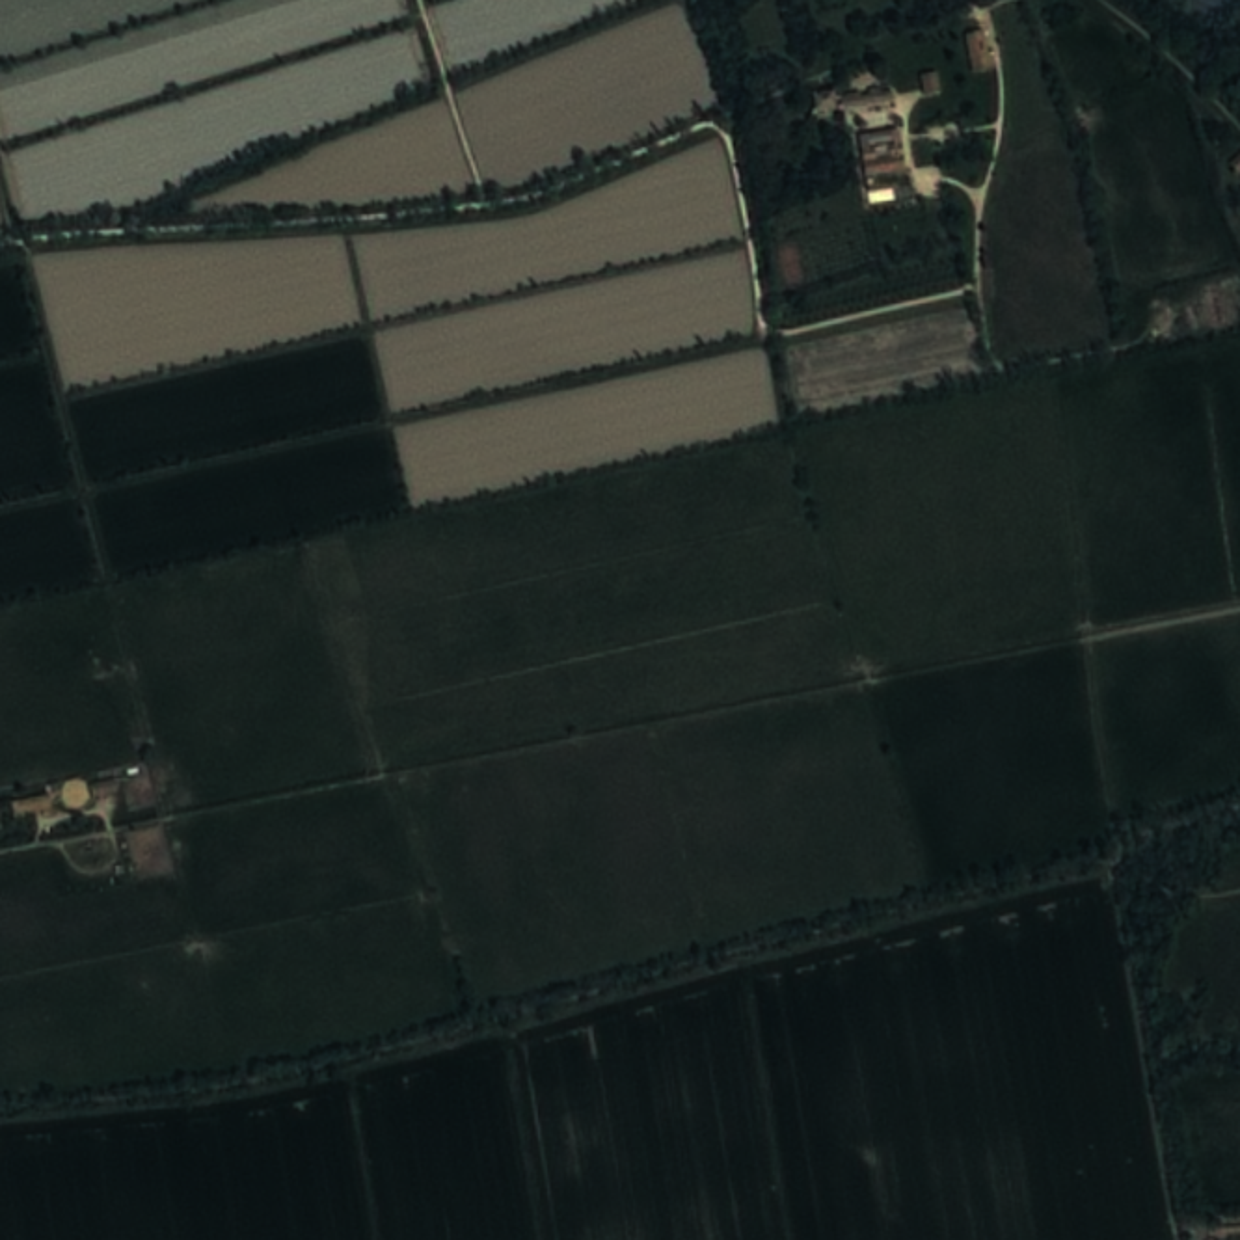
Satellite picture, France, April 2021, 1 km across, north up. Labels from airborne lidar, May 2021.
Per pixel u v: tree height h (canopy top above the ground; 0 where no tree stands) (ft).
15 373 0
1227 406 0
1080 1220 0
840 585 0
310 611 0
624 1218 0
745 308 0
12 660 0
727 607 0
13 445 0
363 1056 24
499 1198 0
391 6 0
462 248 0
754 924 0
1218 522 0
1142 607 0
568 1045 0
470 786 0
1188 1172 37
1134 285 0
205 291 0
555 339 0
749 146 35
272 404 0
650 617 0
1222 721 0
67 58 0
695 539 0
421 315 29
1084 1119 0
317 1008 0
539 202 30
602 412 0
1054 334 0
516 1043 0
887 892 0
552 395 0
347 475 0
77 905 0
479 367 0
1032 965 0
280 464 0
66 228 30
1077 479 0
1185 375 0
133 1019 0
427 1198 0
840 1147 0
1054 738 0
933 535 0
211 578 0
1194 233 0
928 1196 0
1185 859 43
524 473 0
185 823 0
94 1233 0
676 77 0
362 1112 0
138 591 0
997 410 0
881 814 0
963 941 0
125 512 0
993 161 46
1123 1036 0
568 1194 0
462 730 0
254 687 0
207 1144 0
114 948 0
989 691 0
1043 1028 0
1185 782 0
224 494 0
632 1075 0
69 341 0
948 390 55
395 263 0
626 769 0
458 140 0
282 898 0
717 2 33
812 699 0
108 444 0
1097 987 0
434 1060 0
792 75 55
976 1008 0
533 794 0
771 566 0
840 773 0
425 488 0
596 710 0
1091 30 0
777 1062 0
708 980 0
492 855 0
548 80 0
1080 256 0
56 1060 0
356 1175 0
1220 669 0
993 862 0
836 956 0
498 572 0
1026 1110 0
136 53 0
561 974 0
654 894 0
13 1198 0
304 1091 0
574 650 0
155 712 0
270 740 0
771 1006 0
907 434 0
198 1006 0
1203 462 0
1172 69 35
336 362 0
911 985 0
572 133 0
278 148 48
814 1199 0
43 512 0
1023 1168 0
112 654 0
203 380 0
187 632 0
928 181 0
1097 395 0
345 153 0
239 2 0
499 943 0
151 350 0
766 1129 0
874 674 0
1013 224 0
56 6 0
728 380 0
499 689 0
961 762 0
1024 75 0
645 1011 0
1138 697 0
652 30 0
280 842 0
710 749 0
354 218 30
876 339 0
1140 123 0
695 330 0
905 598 0
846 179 42
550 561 0
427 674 0
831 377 0
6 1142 0
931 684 0
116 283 0
